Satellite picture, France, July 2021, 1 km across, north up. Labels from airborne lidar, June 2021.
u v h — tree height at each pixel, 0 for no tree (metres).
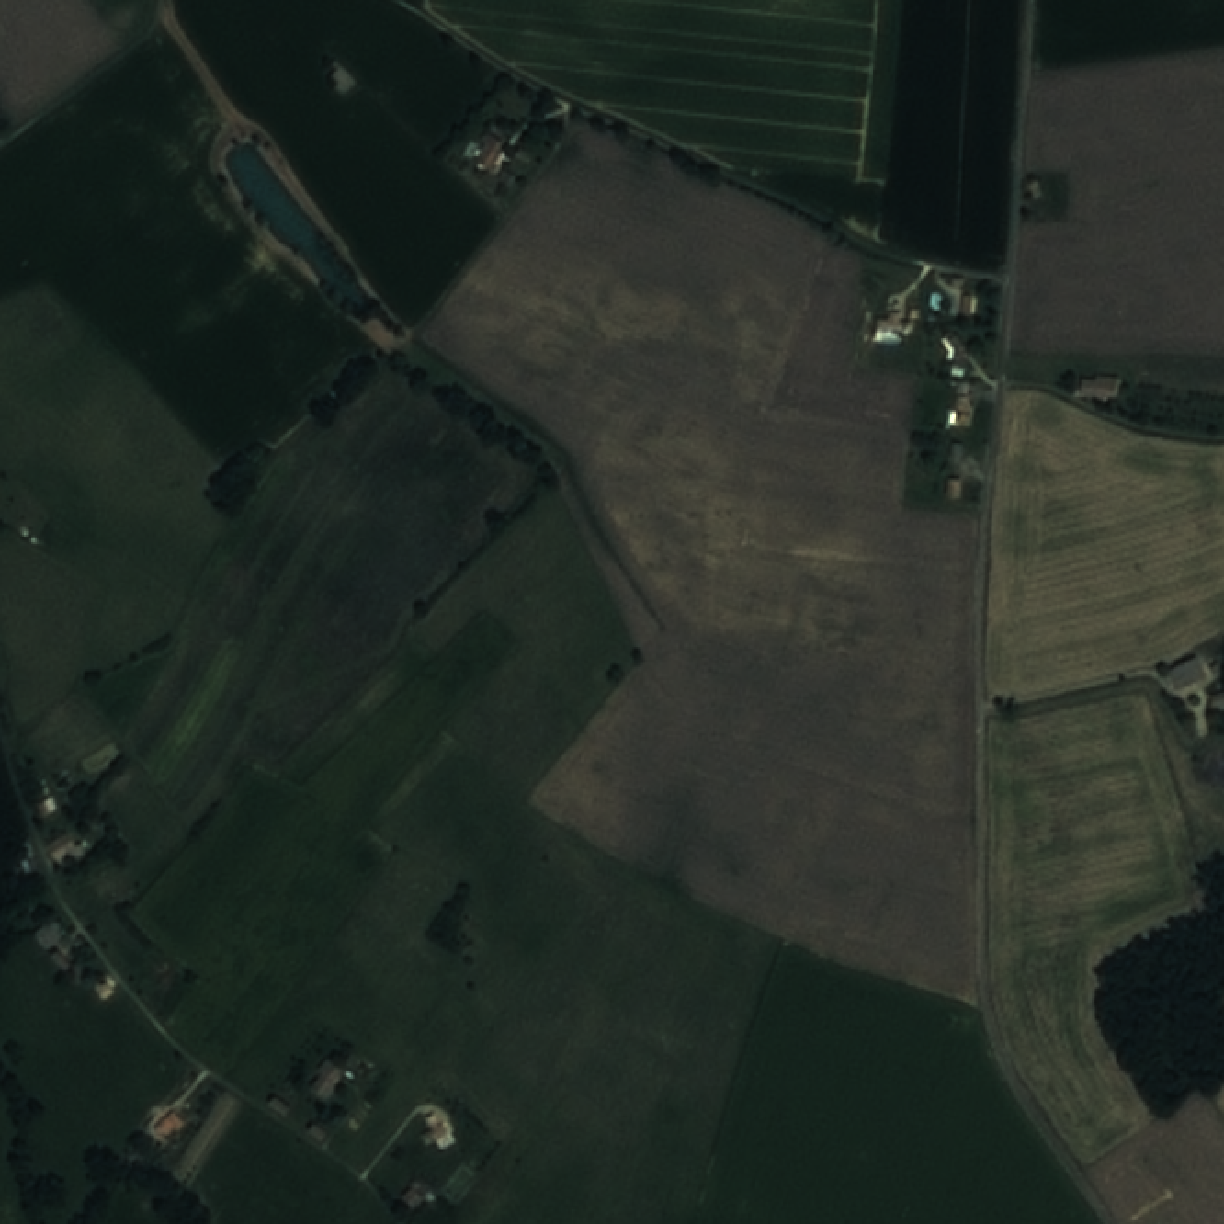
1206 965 21
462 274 0
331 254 9
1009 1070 0
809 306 0
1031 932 0
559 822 0
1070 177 0
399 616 0
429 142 0
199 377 0
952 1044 0
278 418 0
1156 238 0
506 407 0
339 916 0
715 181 12
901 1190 0
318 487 0
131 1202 0
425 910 0
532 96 7
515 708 0
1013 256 0
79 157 0
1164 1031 20
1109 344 0
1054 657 0
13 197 0
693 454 0
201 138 0
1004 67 0
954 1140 0
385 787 0
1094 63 0
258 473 8
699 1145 0
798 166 0
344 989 0
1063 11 0
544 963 0
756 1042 0
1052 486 0
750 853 0
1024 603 0
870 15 0
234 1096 0
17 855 12
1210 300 0
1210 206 0
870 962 0
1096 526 0
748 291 0
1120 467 0
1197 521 0
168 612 0
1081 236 0
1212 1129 0
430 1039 0
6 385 0
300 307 0
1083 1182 0
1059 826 0
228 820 0
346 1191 0
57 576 0
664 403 0
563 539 0
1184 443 0
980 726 0
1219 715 8
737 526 0
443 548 0
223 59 0
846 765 0
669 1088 0
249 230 0
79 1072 0
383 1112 0
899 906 0
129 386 0
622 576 0
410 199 0
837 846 0
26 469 0
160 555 0
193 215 0
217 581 0
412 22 0
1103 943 0
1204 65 0
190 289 0
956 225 0
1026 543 0
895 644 0
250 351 0
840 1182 0
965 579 0
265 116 0
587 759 0
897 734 0
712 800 0
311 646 0
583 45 0
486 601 0
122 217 0
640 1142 0
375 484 0
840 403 0
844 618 0
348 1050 7
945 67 0
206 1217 14
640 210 0
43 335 0
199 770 0
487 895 0
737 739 0
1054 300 0
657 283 0
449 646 0
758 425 0
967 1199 0
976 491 0
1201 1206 0
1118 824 0
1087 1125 0
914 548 0
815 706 0
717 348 0
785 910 0
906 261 0
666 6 0
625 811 0
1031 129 0
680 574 0
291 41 0
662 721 0
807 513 0
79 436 0
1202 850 0
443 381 0
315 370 0
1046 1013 0
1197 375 0
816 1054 0
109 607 0
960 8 0
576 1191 0
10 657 0
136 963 0
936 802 0
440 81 0
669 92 0
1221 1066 15
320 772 0
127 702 0
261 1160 0
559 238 0
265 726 0
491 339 0
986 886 0
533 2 0
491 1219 0
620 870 0
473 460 0
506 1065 0
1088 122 0
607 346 0
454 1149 0
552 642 0
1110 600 0
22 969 0
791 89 0
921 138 0
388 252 0
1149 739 0
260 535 0
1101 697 0
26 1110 10
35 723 0
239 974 0
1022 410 0
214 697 0
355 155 0
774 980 0
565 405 0
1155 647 0
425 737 0
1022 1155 0
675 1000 0
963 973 0
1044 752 0
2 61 0
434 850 0
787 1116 0
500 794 0
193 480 0
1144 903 0
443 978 0
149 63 0
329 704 0
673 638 0
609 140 0
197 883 0
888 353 0
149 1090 0
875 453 0
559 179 0
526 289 0
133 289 0
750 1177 0
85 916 0
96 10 0
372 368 17
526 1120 0
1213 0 0
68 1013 0
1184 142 0
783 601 0
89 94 0
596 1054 0
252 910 0
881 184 0
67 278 0
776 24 0
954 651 0
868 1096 0
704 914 0
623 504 0
